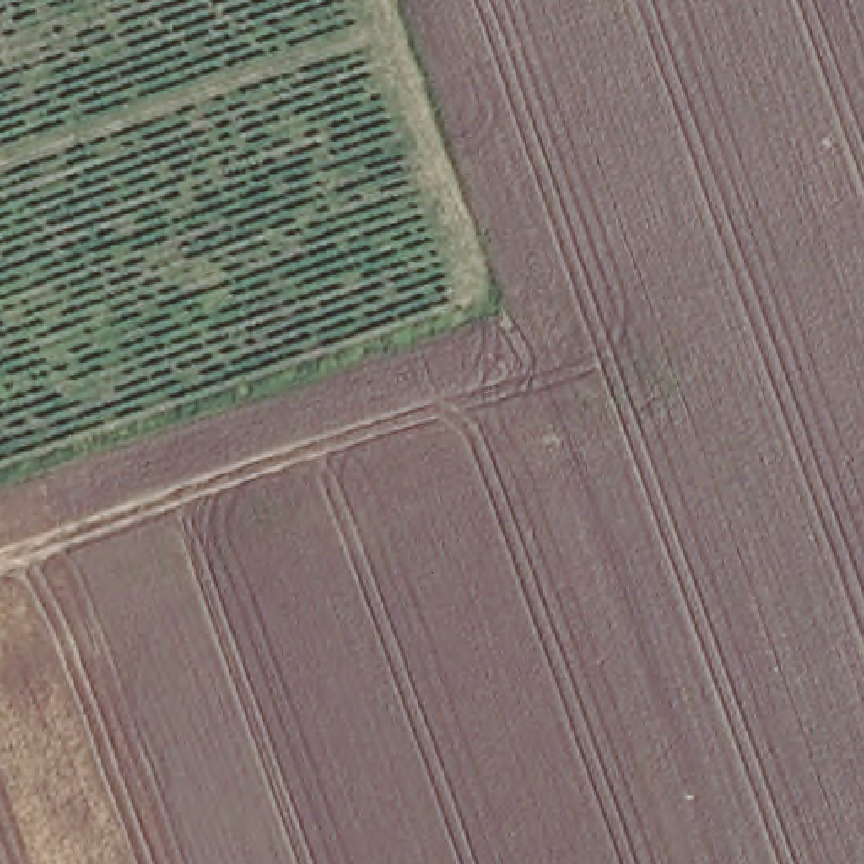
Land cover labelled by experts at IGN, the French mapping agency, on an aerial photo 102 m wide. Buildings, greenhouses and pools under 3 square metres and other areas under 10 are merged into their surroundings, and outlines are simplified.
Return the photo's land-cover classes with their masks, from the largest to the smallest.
<instances>
[{"label":"agricultural land","instance_id":"1","mask_svg":"<svg viewBox=\"0 0 864 864\"><path fill-rule=\"evenodd\" d=\"M405 27L408 54L422 74L425 101L439 128L449 169L469 209L479 253L493 280H500V294L506 300L500 317L466 324L422 338L402 351L358 361L327 378L294 385L280 395L243 402L226 412H213L186 425L135 439L122 449L91 452L61 469L0 486V864H864V0H392Z\"/></svg>","mask_w":864,"mask_h":864},{"label":"vineyard","instance_id":"2","mask_svg":"<svg viewBox=\"0 0 864 864\"><path fill-rule=\"evenodd\" d=\"M354 0H0V149L17 145L24 138L51 135L68 125H84L88 118L111 115L125 105H142L155 95L189 88L209 74L233 71L260 57H273L287 47L344 34L354 27L348 7ZM368 81L365 47L311 61L284 74H267L260 81L240 84L230 95L192 101L169 115L135 122L88 142H74L61 152H47L20 165L0 169V486L61 469L91 452L122 449L135 439L186 425L213 412H226L243 402L280 395L294 385L327 378L358 361L402 351L422 338L466 324L469 307L449 297L446 260L439 253V243L429 236V230L442 219V203L419 189V179H412L405 169V159L415 149V135L405 118H385V95L358 101Z\"/></svg>","mask_w":864,"mask_h":864},{"label":"herbaceous vegetation","instance_id":"3","mask_svg":"<svg viewBox=\"0 0 864 864\"><path fill-rule=\"evenodd\" d=\"M354 27L344 34L287 47L273 57H260L233 71L209 74L189 88L155 95L142 105H125L111 115L88 118L84 125H68L51 135L24 138L17 145L0 149V169L20 165L47 152H61L74 142H88L135 122L169 115L192 101L230 95L240 84L260 81L267 74H284L311 61L365 47L368 81L358 101L385 95V118H405L415 135V149L405 159V169L412 179H419V189L442 203V219L429 230V236L439 243V253L446 260L449 297L469 307L466 324L500 317L506 300L500 294V280H493L479 253L469 209L449 169L439 128L425 101L422 74L408 54L405 27L392 0H354L348 7Z\"/></svg>","mask_w":864,"mask_h":864}]
</instances>
